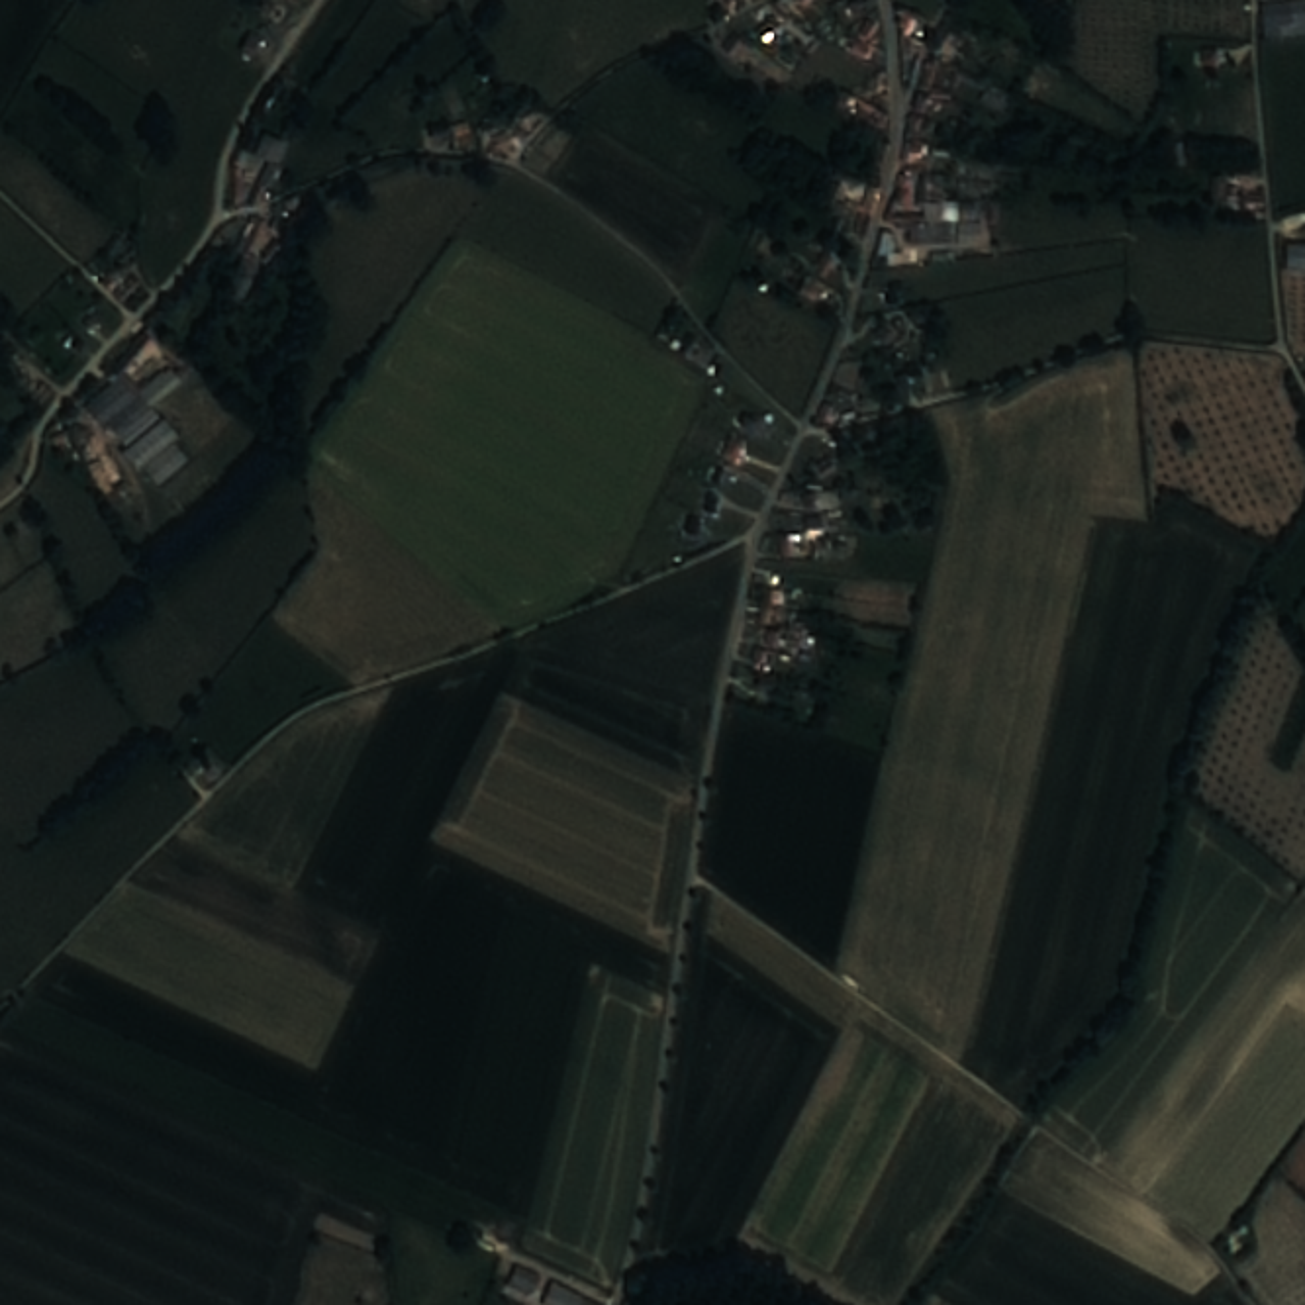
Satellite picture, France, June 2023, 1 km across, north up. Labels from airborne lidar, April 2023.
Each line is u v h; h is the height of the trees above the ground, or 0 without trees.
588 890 0
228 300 10
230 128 0
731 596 0
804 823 0
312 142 0
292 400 26
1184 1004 0
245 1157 0
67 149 0
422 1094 0
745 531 0
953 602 0
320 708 0
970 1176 0
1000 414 0
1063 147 18
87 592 0
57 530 0
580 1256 0
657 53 9
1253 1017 0
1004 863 0
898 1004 0
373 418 0
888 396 9
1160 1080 0
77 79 0
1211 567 0
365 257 0
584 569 0
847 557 0
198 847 0
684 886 0
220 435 0
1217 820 9
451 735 0
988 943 0
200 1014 0
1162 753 0
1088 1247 0
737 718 0
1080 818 0
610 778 0
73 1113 0
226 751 0
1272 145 0
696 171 0
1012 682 0
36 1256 0
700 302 0
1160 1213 0
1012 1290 0
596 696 0
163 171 0
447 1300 0
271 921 0
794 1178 0
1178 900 0
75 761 0
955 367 0
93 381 11
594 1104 0
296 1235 0
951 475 0
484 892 0
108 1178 0
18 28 0
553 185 0
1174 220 16
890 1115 0
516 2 0
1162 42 6
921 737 0
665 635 0
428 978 0
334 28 0
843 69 0
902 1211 0
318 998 0
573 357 0
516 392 0
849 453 14
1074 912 0
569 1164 0
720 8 8
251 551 0
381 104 0
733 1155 0
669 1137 0
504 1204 0
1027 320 0
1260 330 0
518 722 0
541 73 0
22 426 8
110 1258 0
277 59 0
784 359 0
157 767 0
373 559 0
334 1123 0
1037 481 0
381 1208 0
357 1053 0
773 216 14
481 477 0
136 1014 0
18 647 0
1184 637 0
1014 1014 0
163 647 0
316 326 18
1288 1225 0
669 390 0
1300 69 0
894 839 0
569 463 0
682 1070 0
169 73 0
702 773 0
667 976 0
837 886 0
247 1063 0
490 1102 0
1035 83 0
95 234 0
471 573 0
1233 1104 0
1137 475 0
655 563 0
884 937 0
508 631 6
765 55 0
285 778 0
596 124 0
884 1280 0
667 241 0
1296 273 0
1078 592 0
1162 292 0
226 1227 0
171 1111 0
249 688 0
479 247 0
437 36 0
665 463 0
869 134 12
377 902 0
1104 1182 0
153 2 0
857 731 0
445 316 0
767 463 0
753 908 0
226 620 0
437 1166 0
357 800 0
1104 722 0
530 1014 0
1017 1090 0
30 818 0
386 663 0
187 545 29
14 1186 0
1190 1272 0
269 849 0
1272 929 0
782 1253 0
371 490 0
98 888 0
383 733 0
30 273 0
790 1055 0
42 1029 0
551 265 0
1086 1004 0
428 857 0
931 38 17
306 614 0
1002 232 0
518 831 0
